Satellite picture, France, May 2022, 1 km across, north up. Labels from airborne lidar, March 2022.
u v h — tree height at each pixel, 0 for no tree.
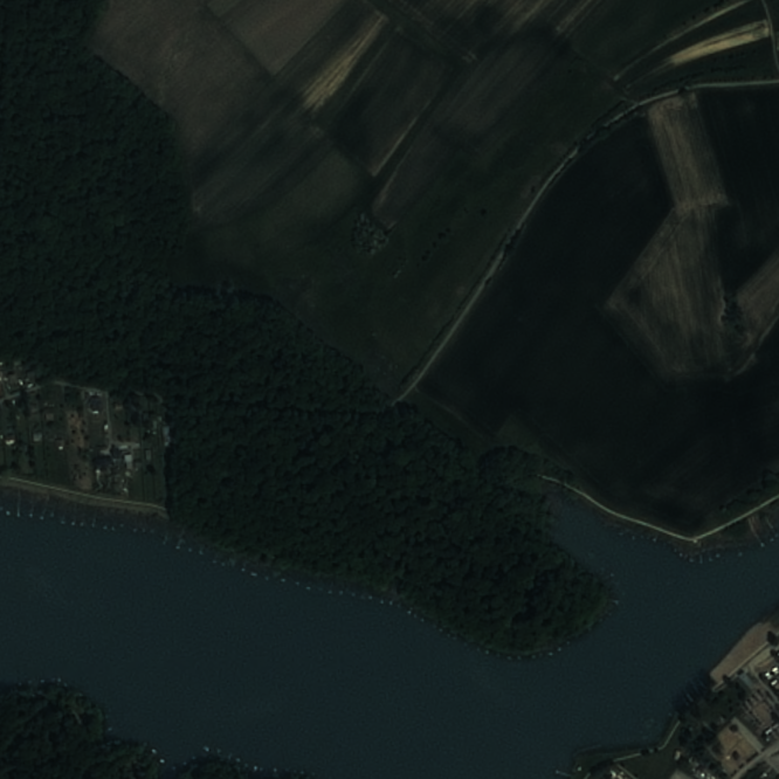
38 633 0
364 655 0
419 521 31
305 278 0
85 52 18
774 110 0
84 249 23
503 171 0
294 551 18
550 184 0
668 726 0
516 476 7
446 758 0
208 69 0
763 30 0
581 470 0
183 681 0
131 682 0
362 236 6
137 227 25
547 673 0
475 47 0
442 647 0
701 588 0
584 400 0
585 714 0
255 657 0
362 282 0
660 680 0
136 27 0
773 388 0
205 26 0
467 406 0
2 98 23
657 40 0
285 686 0
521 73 0
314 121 0
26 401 16
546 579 28
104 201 25
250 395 29
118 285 28
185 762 0
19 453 7
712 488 0
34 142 26
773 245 0
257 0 0
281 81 0
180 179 20
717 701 12
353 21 0
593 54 0
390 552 24
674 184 0
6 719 30
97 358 27
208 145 0
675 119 0
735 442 0
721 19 0
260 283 0
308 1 0
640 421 0
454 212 0
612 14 0
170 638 0
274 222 0
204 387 18
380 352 0
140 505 0
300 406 21
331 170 0
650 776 0
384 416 27
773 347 0
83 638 0
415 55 0
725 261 0
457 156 0
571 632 17
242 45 0
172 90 0
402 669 0
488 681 0
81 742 28
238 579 0
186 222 12
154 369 22
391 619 0
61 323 30
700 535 0
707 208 0
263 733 0
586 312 0
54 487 0
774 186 0
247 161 0
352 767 0
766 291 0
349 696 0
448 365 0
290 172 0
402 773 0
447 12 0
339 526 23
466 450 27
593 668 0
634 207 0
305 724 0
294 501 26
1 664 0
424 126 0
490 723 0
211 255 0
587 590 22
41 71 24
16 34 25
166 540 0
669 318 0
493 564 31
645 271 0
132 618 0
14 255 22
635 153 0
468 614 25
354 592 0
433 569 26
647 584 0
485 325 0
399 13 0
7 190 24
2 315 27
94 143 25
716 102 0
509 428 0
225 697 0
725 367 0
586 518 0
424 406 0
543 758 0
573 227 0
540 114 0
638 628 0
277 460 23
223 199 0
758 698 0
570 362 0
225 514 24
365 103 0
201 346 29
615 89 0
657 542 0
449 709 0
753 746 0
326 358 22
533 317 0
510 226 0
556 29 0
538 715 0
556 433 0
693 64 0
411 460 30
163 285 15
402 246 0
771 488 15
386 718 0
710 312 0
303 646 0
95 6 19
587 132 0
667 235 0
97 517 0
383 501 29
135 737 0
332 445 27
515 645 21
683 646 0
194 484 25
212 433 24
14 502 0
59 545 0
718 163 0
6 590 0
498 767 0
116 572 0
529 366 0
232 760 0
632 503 0
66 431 0
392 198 0
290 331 24
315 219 0
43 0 26
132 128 24
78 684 0
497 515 26
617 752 0
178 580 0
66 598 0
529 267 0
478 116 0
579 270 0
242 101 0
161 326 28
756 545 0
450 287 0
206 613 0
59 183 19
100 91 26
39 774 32
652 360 0
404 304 0
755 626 0
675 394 0
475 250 0
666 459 0
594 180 0
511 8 0
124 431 0
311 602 0
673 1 0
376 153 0
